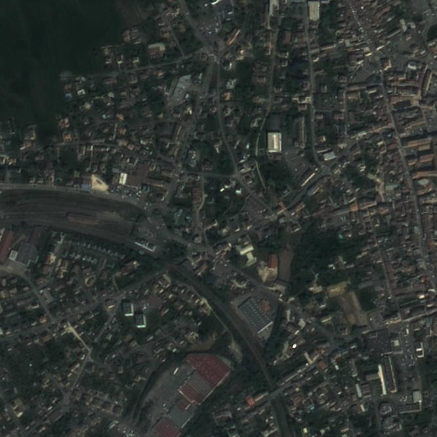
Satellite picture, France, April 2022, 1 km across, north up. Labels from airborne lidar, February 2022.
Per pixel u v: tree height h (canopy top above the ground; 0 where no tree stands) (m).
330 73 0
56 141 0
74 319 0
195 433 0
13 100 0
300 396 0
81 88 0
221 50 0
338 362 0
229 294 0
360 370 0
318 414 0
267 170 0
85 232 0
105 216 0
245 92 13
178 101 0
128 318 0
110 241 0
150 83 8
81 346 0
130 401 0
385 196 0
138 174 0
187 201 0
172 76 15
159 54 0
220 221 16
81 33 0
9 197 0
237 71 0
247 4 0
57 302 0
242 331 0
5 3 0
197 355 0
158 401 0
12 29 0
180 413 0
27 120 0
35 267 0
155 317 0
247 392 0
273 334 6
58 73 0
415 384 29
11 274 0
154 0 0
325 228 7
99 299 0
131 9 0
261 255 0
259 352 0
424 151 0
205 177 0
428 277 0
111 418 0
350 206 0
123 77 0
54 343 0
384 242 0
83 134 6
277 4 0
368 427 8
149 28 0
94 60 0
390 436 0
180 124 0
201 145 19
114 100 14
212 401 7
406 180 0
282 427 0
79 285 0
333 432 7
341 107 0
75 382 0
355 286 0
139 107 11
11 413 0
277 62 0
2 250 0
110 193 0
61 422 11
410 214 0
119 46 0
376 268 10
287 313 0
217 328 0
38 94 0
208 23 0
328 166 0
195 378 0
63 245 0
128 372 0
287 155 0
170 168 0
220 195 8
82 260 0
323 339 0
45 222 0
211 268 12
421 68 0
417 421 10
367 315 0
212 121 13
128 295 0
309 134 7
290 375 0
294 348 0
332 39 0
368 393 0
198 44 12
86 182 0
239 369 16
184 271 0
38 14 0
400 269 0
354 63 0
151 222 0
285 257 0
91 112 0
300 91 12
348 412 0
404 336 0
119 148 0
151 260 15
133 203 0
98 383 0
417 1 0
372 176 0
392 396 0
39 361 0
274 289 0
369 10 0
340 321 0
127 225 0
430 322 0
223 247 0
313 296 18
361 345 14
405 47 0
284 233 19
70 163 0
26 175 9
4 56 0
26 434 0
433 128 0
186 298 0
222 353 18
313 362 0
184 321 0
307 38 0
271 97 0
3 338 0
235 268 0
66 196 0
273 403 0
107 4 0
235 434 0
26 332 0
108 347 0
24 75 0
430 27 0
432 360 17
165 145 6
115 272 0
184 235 0
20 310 0
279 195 13
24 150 0
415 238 0
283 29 7
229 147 0
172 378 0
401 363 0
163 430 0
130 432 0
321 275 9
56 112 0
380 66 0
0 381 0
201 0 0
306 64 28
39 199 0
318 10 0
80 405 0
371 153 0
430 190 0
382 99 0
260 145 0
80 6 0
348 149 0
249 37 0
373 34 0
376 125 0
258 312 0
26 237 0
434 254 0
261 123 6
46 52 0
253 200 0
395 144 0
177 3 0
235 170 0
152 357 0
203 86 0
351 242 0
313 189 0
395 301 0
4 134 0
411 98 0
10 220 0
